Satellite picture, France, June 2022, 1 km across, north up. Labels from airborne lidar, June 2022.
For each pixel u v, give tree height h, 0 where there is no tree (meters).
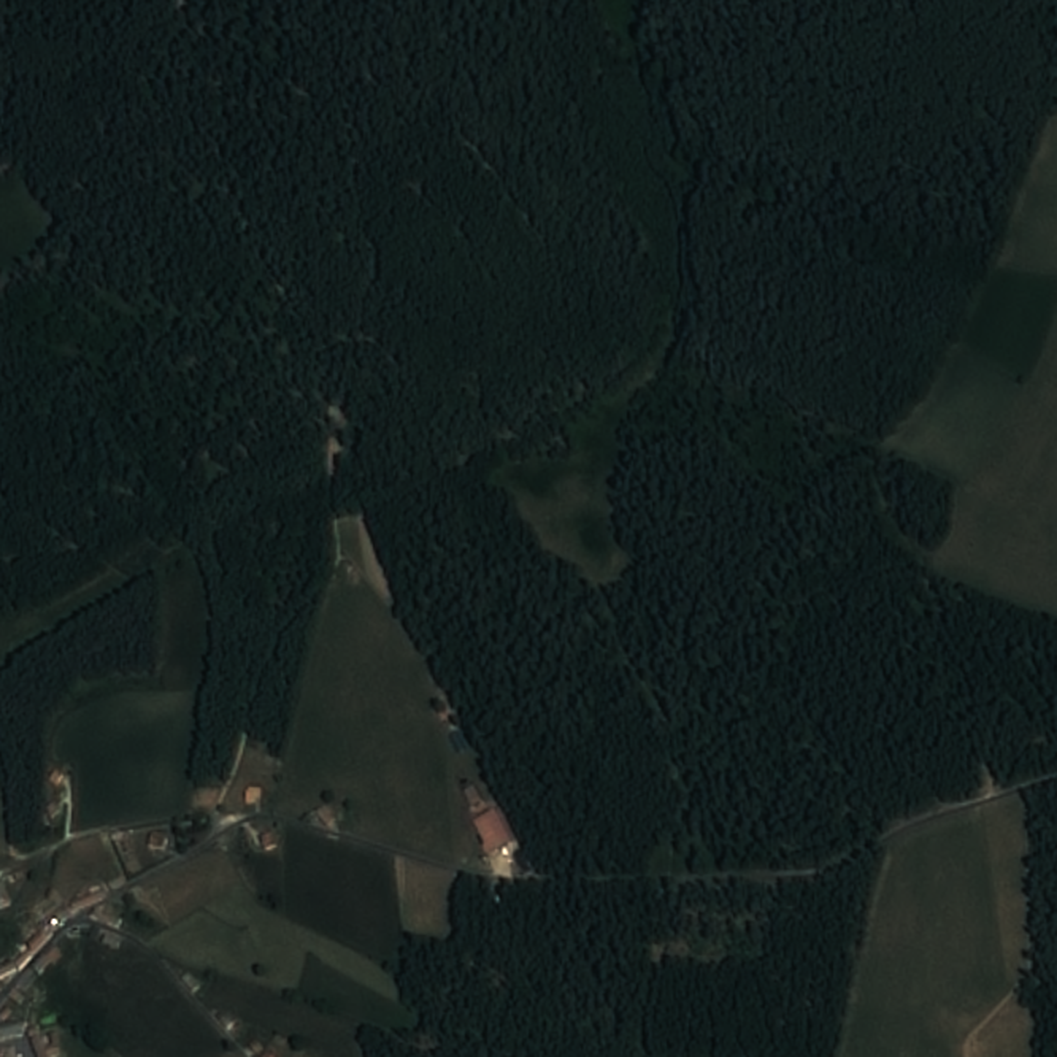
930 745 28
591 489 0
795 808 28
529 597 30
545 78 27
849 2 26
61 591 22
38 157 25
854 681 25
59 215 23
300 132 12
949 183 28
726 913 17
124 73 28
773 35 26
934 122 24
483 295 18
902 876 0
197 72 18
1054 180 0
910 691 29
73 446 10
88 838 0
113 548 20
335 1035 0
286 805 0
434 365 19
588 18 23
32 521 12
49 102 24
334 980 0
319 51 28
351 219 26
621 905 30
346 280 22
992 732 26
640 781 24
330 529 18
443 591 27
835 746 24
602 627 12
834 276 25
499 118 32
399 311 21
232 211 22
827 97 26
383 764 0
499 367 17
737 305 27
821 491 24
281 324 11
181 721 0
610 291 18
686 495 27
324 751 0
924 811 12
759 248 24
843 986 16
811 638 18
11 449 23
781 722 26
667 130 18
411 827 0
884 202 25
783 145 27
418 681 0
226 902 0
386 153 21
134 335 11
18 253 0
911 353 28
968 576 0
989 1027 0
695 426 15
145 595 24
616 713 24
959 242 9
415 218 20
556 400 26
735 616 21
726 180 33
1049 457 0
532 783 22
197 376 15
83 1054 0
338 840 0
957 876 0
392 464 28
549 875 22
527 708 24
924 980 0
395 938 0
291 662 23
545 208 25
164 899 0
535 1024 16
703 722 25
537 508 0
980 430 0
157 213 24
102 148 24
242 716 22
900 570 18
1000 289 0
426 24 26
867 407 26
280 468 21
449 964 24
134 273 24
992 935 0
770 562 28
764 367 30
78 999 0
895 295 24
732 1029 21
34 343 13
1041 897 23
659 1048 19
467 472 19
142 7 20
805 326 25
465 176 15
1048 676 21
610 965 28
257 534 13
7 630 0
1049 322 0
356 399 28
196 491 23
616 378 14
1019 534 0
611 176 22
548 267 20
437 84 23
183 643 0
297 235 24
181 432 9
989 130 28
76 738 0
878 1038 0
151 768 0
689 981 19
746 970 21
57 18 21
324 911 0
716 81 24
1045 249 0
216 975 13
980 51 23
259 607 18
